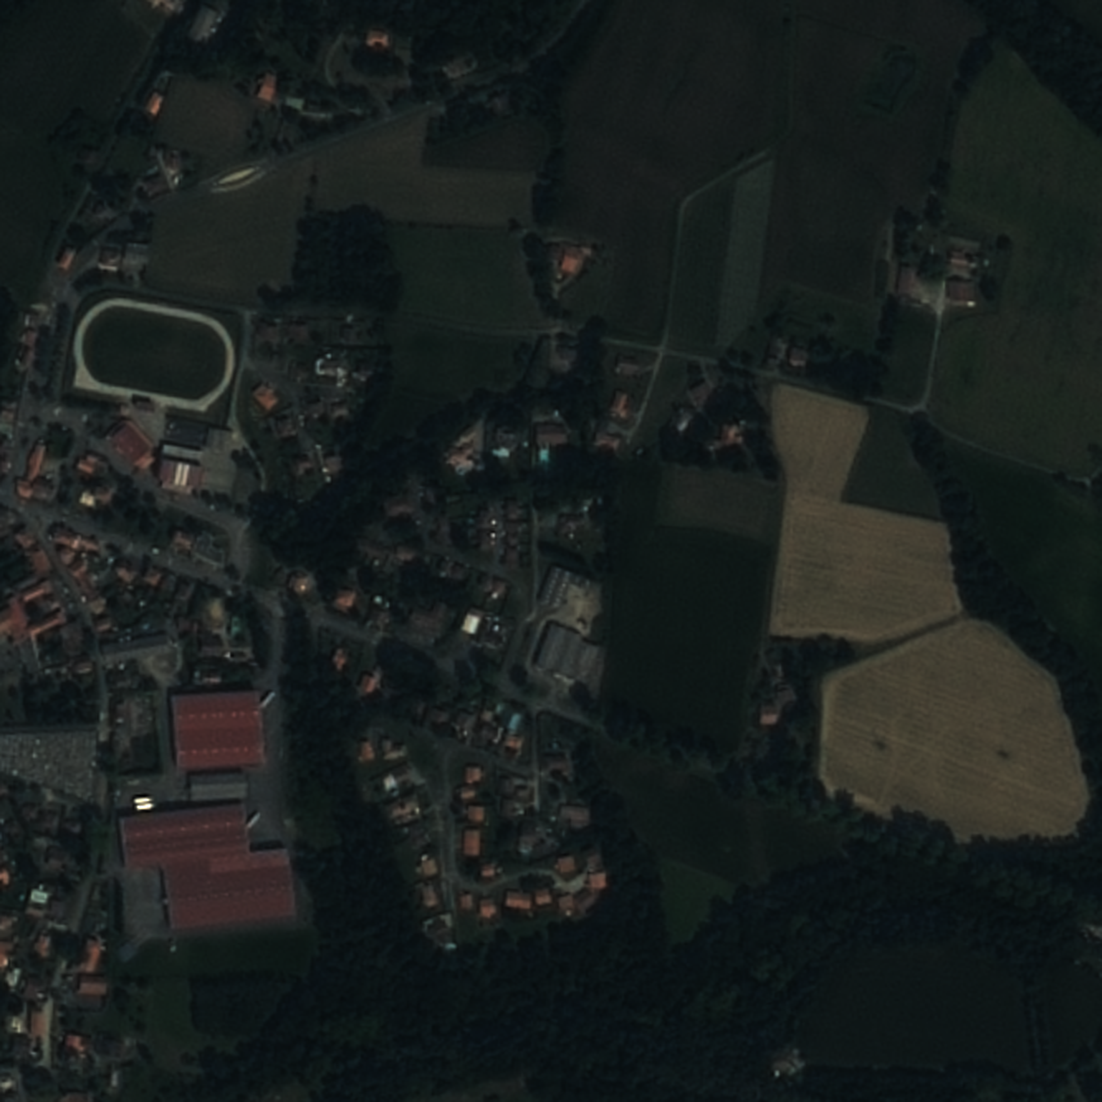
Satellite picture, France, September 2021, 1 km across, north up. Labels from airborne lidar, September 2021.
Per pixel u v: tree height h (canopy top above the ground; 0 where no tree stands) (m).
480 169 0
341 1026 37
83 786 0
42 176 0
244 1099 12
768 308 0
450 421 18
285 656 12
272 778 0
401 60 8
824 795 22
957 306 0
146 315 0
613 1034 30
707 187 0
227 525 0
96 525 12
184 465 0
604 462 18
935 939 23
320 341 7
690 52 0
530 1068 15
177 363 0
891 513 0
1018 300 0
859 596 0
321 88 9
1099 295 0
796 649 0
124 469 0
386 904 24
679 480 0
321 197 0
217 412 0
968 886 28
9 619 0
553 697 0
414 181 0
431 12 24
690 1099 21
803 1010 19
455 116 11
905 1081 11
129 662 6
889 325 15
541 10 19
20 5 15
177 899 0
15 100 0
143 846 0
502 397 6
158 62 9
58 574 0
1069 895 35
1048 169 0
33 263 0
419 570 15
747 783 21
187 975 0
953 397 0
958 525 18
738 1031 25
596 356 17
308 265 8
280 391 0
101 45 0
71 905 0
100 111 0
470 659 0
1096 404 0
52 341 12
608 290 0
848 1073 11
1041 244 0
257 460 7
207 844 0
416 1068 20
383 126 0
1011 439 0
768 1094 17
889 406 0
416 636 0
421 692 15
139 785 0
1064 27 17
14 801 7
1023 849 16
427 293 0
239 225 0
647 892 22
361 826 19
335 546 20
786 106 0
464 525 6
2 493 0
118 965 0
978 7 18
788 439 0
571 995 9
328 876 26
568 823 0
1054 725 0
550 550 12
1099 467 21
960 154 0
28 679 6
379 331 7
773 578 0
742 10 0
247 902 0
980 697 0
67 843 15
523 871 0
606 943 23
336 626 0
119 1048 0
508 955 21
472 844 0
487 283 0
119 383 0
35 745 0
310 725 24
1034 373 0
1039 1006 11
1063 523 0
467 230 0
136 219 13
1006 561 0
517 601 0
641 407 0
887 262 0
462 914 0
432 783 0
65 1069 6
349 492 31
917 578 0
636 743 24
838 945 20
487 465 16
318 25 20
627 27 0
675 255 0
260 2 16
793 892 27
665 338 0
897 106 0
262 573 0
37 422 7
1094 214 0
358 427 16
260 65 13
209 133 0
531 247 16
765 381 0
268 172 0
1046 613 0
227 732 0
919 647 0
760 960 31
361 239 23
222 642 0
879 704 0
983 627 0
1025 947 20
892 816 0
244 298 0
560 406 18
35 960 14
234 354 0
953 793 0
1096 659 0
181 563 0
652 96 0
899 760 0
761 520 0
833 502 0
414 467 15
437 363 0
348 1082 28
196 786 0
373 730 0
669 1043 22
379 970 28
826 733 0
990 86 0
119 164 0
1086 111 22
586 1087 18
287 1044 31
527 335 0
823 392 0
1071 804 0
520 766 0
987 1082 21
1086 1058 18
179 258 0
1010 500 0
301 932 0
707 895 0
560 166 10
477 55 14
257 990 16
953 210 0
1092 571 0
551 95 18
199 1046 0
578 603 0
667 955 14
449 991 27
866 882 22
